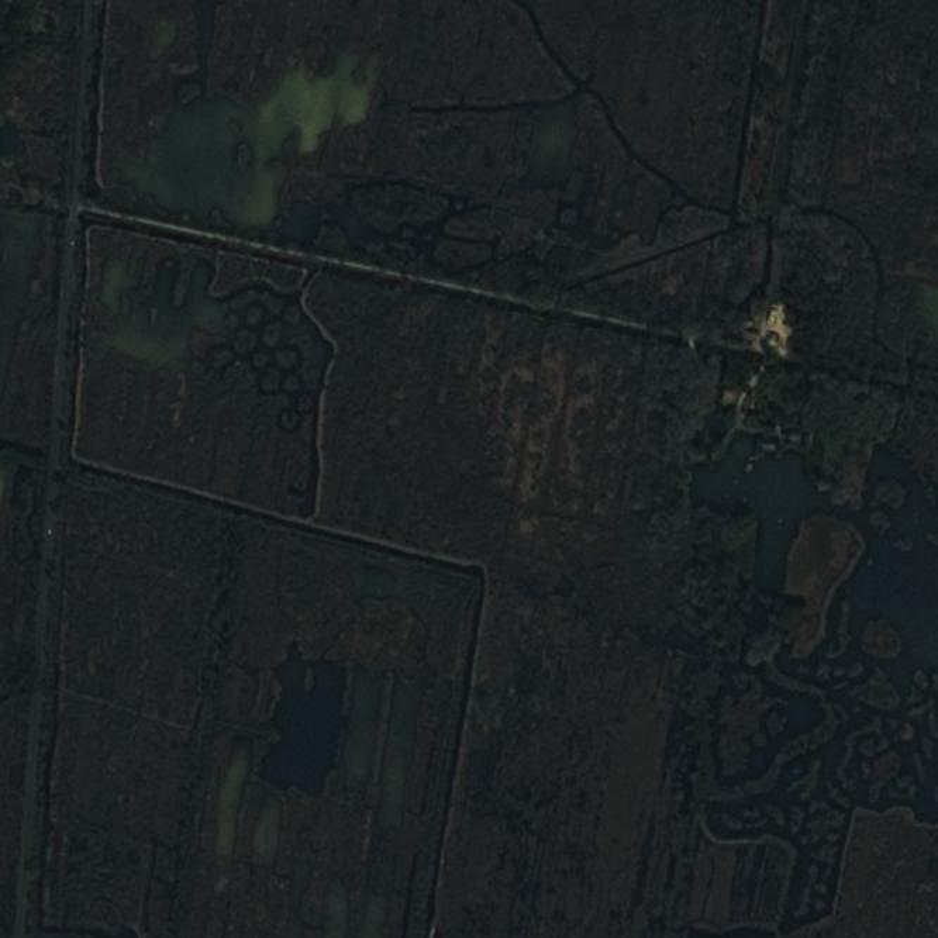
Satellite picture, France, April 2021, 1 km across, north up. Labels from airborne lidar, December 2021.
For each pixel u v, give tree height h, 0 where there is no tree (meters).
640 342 23
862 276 8
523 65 0
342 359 5
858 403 23
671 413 18
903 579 0
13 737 0
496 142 0
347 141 0
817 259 16
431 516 0
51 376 6
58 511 15
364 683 0
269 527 10
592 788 0
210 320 0
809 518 0
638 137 0
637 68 0
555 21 0
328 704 0
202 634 6
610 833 0
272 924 0
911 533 0
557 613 0
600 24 0
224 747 0
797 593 0
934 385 12
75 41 7
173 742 0
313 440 0
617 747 0
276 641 0
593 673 0
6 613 0
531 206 0
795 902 0
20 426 0
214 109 0
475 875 0
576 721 0
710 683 0
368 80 0
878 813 0
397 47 0
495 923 0
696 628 0
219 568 11
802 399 19
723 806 0
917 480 0
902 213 6
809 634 0
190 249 7
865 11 6
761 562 0
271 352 0
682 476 22
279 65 0
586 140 0
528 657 0
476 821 0
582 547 0
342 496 0
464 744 0
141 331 0
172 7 0
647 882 0
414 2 0
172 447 0
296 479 0
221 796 0
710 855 0
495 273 14
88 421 0
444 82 0
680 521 16
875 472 0
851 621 0
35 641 6
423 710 0
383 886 0
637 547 8
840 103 12
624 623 0
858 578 0
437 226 0
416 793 0
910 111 0
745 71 11
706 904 0
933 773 0
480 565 0
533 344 6
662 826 0
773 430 15
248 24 0
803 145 20
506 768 0
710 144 7
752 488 0
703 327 25
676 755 0
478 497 0
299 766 0
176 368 0
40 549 6
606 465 6
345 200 0
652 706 0
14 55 7
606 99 0
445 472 0
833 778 0
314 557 0
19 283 0
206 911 0
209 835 0
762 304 19
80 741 0
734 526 24
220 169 0
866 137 9
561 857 0
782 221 16
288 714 0
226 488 0
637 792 0
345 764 0
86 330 6
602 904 0
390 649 0
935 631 0
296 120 0
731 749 0
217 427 0
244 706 0
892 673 0
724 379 16
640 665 0
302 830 0
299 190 0
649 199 0
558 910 0
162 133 0
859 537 0
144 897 0
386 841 0
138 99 0
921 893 0
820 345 9
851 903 0
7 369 0
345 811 0
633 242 0
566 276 9
